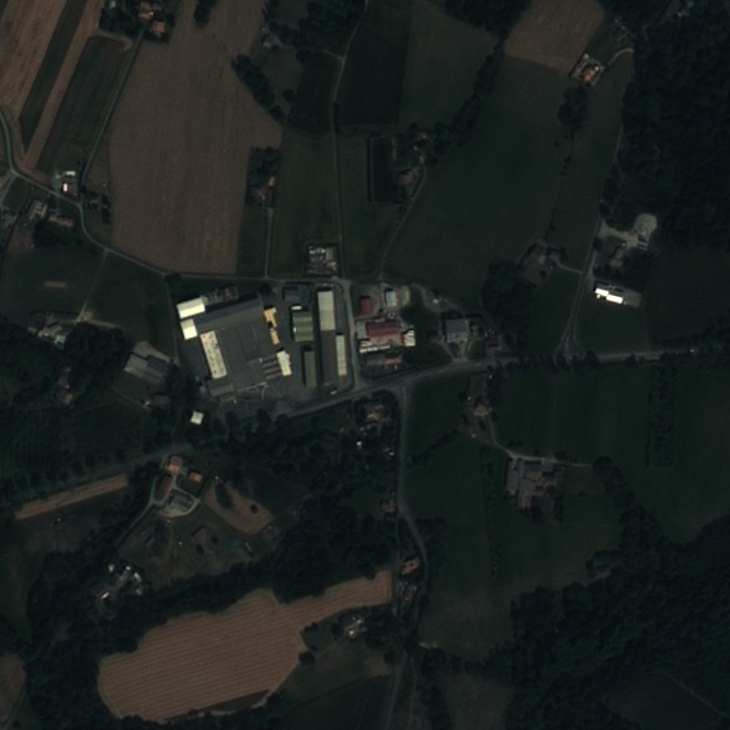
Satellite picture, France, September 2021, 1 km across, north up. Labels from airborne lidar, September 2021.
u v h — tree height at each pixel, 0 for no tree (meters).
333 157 0
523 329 20
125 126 0
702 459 0
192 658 0
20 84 0
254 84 20
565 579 0
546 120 0
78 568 13
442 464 0
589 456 0
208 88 0
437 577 11
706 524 0
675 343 9
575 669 29
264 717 16
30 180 0
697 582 24
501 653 19
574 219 0
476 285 0
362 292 0
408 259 0
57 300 0
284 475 17
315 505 14
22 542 0
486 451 6
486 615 0
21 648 14
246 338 0
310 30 19
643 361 6
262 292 10
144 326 0
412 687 0
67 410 7
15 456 8
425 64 0
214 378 0
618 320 0
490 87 9
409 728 0
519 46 0
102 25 7
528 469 0
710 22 25
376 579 0
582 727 19
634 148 20
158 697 0
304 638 0
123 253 0
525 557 0
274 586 15
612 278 7
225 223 0
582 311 0
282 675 0
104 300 0
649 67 27
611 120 0
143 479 23
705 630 19
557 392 0
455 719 0
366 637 8
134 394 0
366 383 0
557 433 0
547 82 0
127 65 0
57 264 0
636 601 15
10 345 16
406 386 0
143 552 0
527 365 16
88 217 0
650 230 0
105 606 9
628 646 31
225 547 0
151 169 0
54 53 0
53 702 20
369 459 7
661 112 28
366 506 0
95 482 0
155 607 15
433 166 7
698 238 21
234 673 0
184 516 0
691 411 0
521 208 0
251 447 18
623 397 0
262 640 0
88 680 18
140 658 0
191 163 0
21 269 0
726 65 22
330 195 0
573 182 0
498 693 0
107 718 16
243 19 0
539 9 0
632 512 20
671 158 20
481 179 0
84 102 0
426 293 0
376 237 0
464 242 0
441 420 0
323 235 0
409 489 0
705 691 17
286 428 19
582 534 0
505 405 0
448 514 0
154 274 0
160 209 0
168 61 0
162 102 0
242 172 0
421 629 0
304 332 0
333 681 0
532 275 0
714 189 26
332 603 0
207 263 0
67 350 12
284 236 0
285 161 0
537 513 17
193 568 0
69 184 0
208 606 25
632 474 0
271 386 0
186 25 0
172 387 18
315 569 22
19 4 0
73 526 0
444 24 0
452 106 0
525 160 0
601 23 0
